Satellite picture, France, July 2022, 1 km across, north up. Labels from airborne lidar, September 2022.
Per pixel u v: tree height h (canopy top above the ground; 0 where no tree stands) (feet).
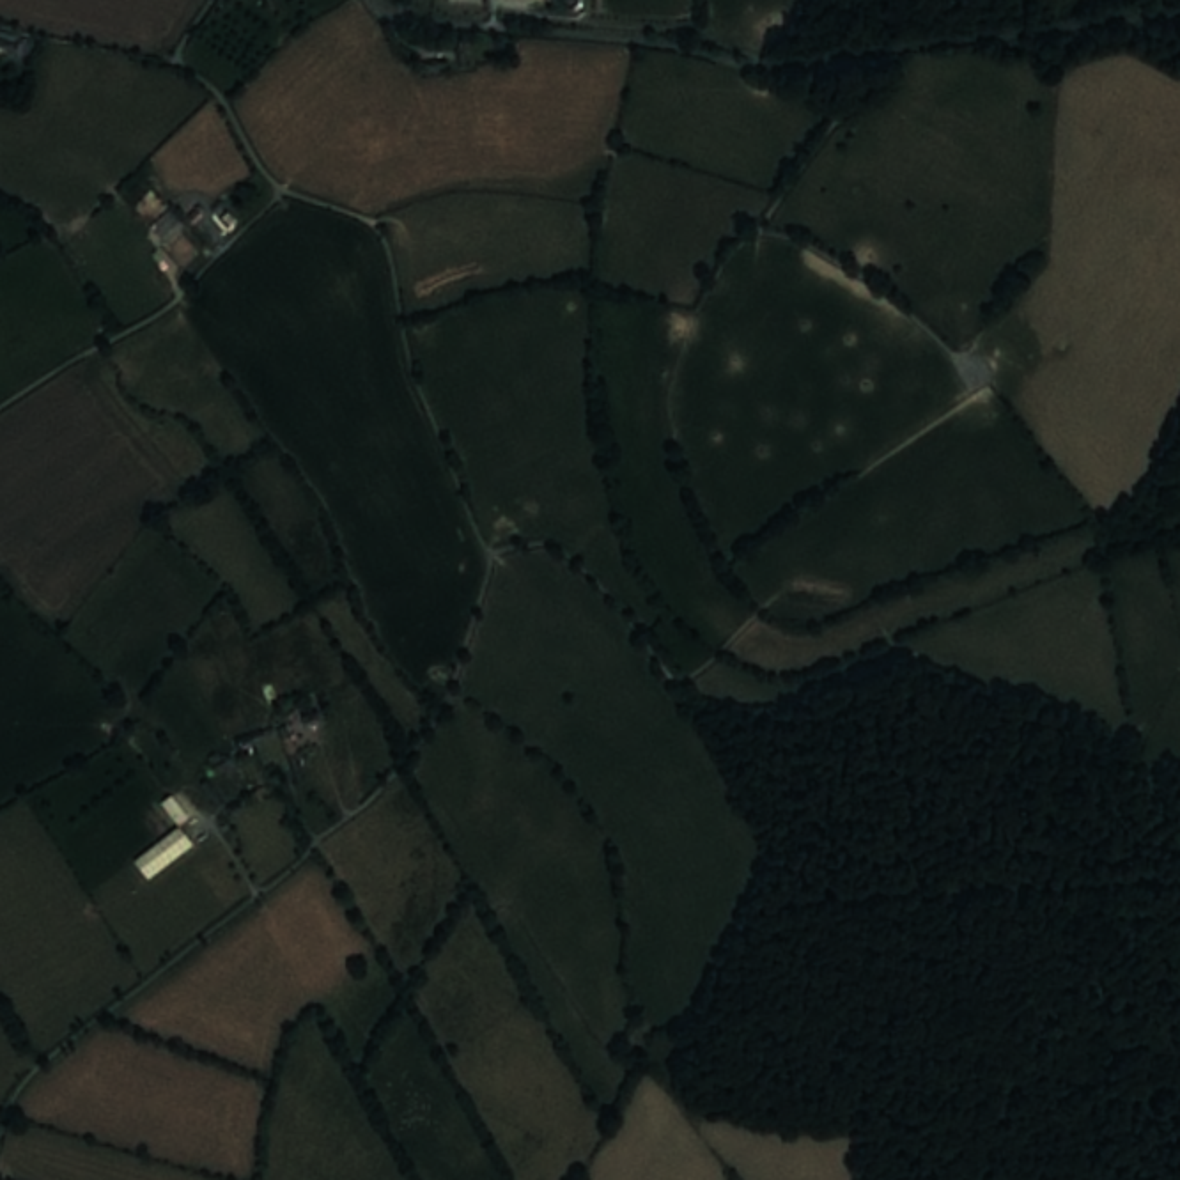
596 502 0
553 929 0
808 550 0
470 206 0
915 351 0
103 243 0
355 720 0
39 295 0
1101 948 81
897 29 90
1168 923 77
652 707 0
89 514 0
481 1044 0
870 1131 73
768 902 85
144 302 0
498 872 0
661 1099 0
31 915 0
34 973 0
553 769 23
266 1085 36
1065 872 79
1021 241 0
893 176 0
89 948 0
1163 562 29
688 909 0
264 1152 28
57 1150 0
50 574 0
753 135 0
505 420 0
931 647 0
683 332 0
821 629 43
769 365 0
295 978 0
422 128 0
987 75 0
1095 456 0
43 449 0
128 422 0
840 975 89
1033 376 0
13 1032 72
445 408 0
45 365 0
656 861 0
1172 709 0
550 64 0
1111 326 0
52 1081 0
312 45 0
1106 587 25
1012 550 32
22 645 0
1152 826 79
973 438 0
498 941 55
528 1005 35
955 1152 71
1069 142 0
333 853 0
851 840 96
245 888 0
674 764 0
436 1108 0
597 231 23
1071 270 0
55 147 0
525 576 0
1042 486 0
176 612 0
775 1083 86
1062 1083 73
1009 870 81
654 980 0
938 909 79
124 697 46
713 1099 74
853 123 59
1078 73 0
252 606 0
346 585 18
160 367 0
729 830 0
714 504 0
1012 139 0
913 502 0
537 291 39
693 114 0
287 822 30
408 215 0
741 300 0
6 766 0
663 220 0
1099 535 25
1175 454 77
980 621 0
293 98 0
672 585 0
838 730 88
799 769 94
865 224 0
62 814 0
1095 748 84
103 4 0
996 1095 91
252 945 0
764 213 0
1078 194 0
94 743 0
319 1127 0
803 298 0
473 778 0
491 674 0
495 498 0
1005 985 87
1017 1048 81
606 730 0
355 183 0
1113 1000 82
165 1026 0
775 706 29
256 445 28
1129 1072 83
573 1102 0
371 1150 0
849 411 0
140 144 0
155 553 0
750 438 0
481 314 0
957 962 82
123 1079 0
